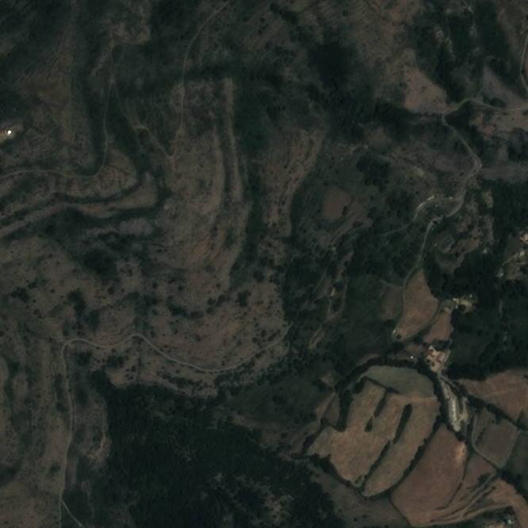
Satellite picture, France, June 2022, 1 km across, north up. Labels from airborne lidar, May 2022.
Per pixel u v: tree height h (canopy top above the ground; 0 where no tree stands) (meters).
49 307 0
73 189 0
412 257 9
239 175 0
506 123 0
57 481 0
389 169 8
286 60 8
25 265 0
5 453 0
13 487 0
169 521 13
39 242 0
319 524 11
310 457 6
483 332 17
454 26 11
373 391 0
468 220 0
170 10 8
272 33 0
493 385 0
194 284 0
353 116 7
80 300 7
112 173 0
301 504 12
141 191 0
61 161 0
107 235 6
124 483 12
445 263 0
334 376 0
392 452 0
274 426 0
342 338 11
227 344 0
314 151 0
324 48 11
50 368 0
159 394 14
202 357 0
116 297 0
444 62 15
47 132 0
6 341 0
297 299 7
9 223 6
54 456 0
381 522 0
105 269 6
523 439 0
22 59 0
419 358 8
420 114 7
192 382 6
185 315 7
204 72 10
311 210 0
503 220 14
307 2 0
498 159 0
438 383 10
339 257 9
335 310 9
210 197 0
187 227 0
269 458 12
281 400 10
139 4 0
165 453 8
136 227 0
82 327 8
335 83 33
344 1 0
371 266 11
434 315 0
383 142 0
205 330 0
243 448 10
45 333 0
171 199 0
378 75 0
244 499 15
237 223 0
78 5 0
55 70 0
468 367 16
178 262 0
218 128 0
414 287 0
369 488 0
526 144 5
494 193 10
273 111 5
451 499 0
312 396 0
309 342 0
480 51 0
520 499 0
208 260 0
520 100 0
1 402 0
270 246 6
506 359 22
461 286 16
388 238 6
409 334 0
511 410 0
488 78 0
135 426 16
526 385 0
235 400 0
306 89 6
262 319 0
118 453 15
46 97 0
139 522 11
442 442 0
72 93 0
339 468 0
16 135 0
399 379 0
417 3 0
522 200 8
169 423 7
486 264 12
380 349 0
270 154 0
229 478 13
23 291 8
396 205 11
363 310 0
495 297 19
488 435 0
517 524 0
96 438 7
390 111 18
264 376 10
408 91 0
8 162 0
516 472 0
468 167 0
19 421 0
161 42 7
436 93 0
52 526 0
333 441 0
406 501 0
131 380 6
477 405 18
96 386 19
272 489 10
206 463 12
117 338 0
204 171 0
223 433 9
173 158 0
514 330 14
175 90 0
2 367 0
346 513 0
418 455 9
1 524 0
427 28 7
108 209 0
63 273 0
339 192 0
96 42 0
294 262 7
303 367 14
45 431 0
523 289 26
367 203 0
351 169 0
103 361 6
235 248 0
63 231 0
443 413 10
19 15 6
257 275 9
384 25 0
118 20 0
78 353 5
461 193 0
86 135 0
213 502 11
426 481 0
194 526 28
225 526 7
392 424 0
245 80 8
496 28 8
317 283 10
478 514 0
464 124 16
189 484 10
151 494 13
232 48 10
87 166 0
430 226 0
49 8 8
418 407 0
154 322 0
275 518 10
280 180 0
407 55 0
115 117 9
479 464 0
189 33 8
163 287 0
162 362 0
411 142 0
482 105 0
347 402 10
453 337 12
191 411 10
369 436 0
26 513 0
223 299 12
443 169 0
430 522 0
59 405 11
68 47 0
